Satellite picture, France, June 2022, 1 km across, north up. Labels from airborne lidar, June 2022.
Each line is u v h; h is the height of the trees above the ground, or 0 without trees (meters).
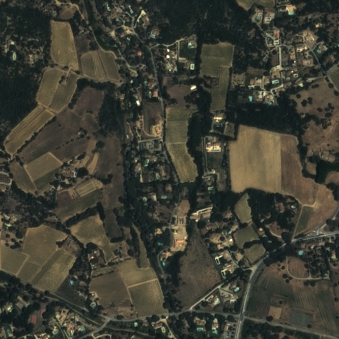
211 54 0
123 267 0
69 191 0
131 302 0
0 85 9
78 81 8
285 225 15
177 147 0
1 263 0
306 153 15
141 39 7
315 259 7
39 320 0
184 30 8
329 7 9
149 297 0
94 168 0
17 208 6
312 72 14
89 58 0
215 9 13
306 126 9
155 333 10
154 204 23
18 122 7
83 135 7
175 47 9
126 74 10
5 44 7
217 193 9
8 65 9
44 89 0
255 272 0
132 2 7
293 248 16
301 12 12
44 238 0
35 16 6
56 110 0
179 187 12
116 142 0
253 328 12
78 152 0
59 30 0
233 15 9
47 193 18
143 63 7
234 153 0
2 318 10
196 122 16
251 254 0
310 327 9
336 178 0
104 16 7
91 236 0
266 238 14
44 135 0
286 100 15
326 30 9
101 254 8
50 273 0
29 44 12
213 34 12
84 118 0
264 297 0
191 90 0
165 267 5
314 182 0
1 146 13
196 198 12
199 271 0
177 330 8
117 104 9
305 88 7
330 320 0
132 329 8
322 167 29
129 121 10
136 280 0
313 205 0
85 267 7
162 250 12
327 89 0
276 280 0
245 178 0
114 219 0
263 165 0
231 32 8
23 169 0
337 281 0
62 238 0
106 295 0
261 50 10
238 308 10
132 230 9
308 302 0
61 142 0
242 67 10
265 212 12
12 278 12
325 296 0
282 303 12
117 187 0
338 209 0
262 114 11
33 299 9
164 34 11
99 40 10
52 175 0
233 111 9
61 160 0
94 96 0
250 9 5
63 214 0
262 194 12
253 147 0
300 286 0
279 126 7
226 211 15
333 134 0
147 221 14
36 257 0
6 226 6
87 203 0
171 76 6
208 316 15
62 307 10
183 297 0
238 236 0
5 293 13
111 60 0
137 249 19
